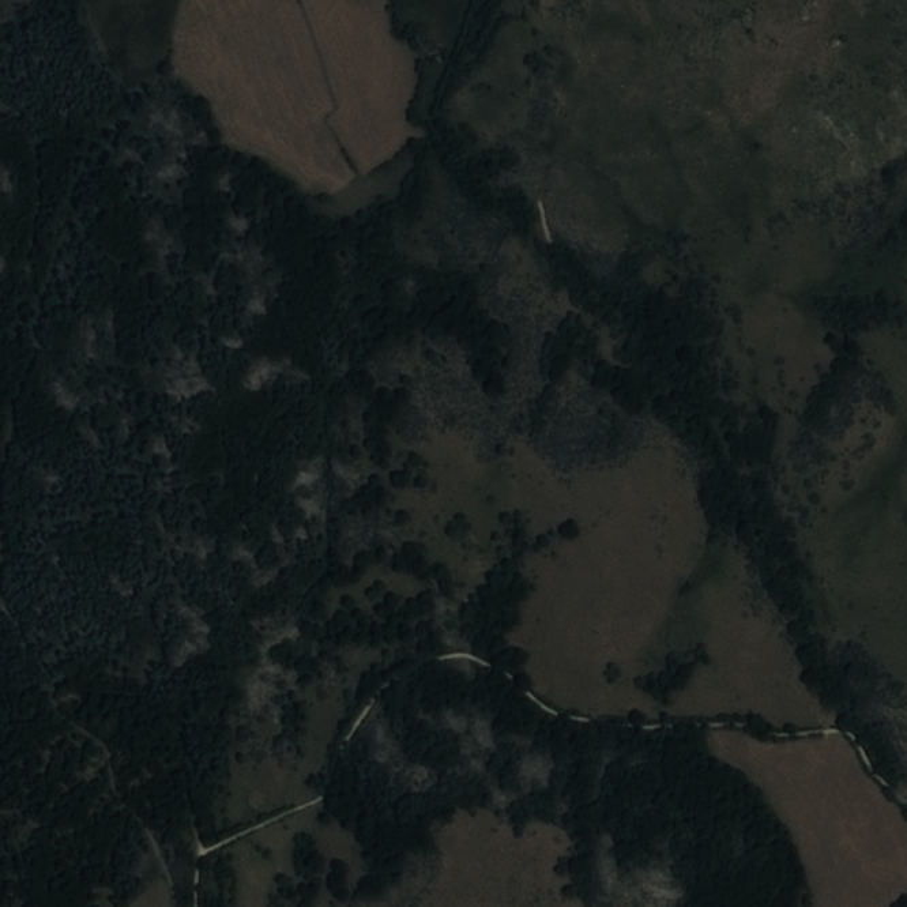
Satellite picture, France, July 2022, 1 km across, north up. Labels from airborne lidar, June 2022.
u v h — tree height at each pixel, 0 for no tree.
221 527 12
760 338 0
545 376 10
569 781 7
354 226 10
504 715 15
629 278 6
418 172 9
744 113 0
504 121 0
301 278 15
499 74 0
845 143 0
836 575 0
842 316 8
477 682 8
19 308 16
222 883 7
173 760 18
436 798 17
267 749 0
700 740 15
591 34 0
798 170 0
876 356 0
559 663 0
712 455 7
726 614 0
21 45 15
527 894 0
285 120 0
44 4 10
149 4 0
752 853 9
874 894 0
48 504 15
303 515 12
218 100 0
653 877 0
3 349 19
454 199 0
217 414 14
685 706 0
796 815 0
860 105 0
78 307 17
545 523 0
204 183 15
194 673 26
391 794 16
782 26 0
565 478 0
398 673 14
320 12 0
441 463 0
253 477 8
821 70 0
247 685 0
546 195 0
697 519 0
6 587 16
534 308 0
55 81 19
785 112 0
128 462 20
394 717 11
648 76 0
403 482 15
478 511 0
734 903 14
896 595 0
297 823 0
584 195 0
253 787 0
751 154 0
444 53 11
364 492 14
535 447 0
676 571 0
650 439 0
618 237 0
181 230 11
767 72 0
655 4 0
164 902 0
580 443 0
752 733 10
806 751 0
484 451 0
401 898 0
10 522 12
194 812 13
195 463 16
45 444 19
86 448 15
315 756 0
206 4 0
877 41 0
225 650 20
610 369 13
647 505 0
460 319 20
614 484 0
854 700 9
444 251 0
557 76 0
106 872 11
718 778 17
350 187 0
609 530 0
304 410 13
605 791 11
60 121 22
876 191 0
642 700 0
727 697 0
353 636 12
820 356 0
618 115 0
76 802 12
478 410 0
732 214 0
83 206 28
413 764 10
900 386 0
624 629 0
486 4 7
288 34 0
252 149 0
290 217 13
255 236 15
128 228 15
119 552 14
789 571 6
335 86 0
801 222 0
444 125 8
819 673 14
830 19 0
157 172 0
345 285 6
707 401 6
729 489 6
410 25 8
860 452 0
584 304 10
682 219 0
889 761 7
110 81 19
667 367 11
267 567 11
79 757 10
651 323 16
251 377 0
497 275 0
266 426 17
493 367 16
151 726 20
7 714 8
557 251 10
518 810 8
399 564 8
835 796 0
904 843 0
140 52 0
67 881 11
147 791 11
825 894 0
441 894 0
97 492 20
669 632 0
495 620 7
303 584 12
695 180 0
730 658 0
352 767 6
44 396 13
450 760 9
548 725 14
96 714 13
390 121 0
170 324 12
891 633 0
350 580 14
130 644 12
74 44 22
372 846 8
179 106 10
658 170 0
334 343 13
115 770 8
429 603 11
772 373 0
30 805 12
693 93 0
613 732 17
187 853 12
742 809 7
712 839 11
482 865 0
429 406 0
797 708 0
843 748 0
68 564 20
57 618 17
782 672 0
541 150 0
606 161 0
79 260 12
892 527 0
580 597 0
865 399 0
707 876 12
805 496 0
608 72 0
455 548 0
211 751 26
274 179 19
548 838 0
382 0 0
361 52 0
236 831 6
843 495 0
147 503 18
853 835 0
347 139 0
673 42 0
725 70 0
